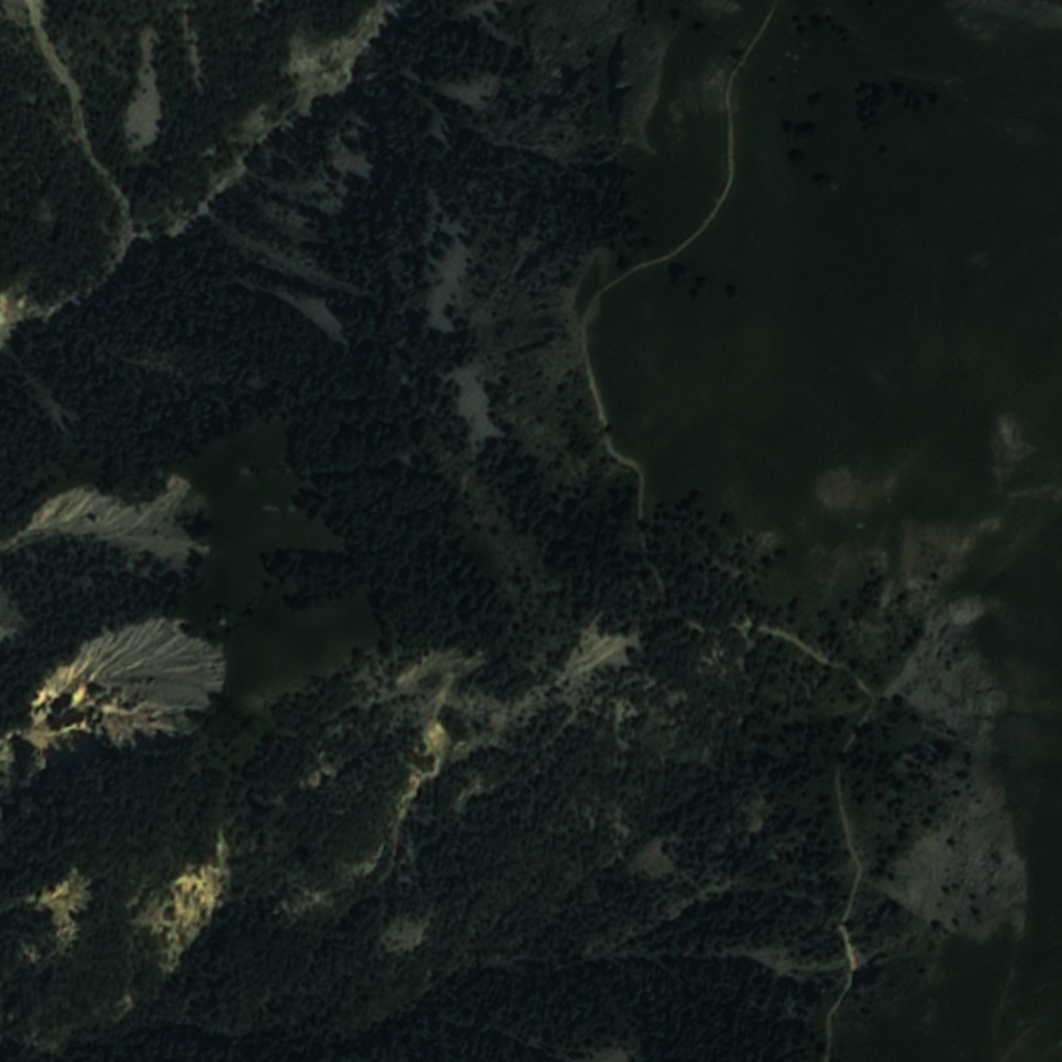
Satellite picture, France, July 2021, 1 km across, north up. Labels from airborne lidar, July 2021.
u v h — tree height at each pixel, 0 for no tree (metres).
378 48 17
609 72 0
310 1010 6
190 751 13
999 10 0
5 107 10
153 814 14
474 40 22
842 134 0
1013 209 0
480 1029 12
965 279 0
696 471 0
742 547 11
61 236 21
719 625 12
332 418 27
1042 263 0
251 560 0
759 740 13
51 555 12
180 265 22
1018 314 0
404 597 29
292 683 0
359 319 21
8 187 10
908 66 0
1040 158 0
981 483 0
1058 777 0
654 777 11
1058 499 0
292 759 20
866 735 14
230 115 10
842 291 0
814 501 0
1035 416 0
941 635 0
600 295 0
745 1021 22
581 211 12
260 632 0
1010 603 0
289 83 9
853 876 0
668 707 7
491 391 11
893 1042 0
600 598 6
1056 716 0
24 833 18
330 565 25
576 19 0
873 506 0
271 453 0
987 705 0
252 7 6
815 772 9
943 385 0
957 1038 0
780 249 0
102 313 27
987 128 0
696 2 0
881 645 0
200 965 16
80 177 11
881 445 0
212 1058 20
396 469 26
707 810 13
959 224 0
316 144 14
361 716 9
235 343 30
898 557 0
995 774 0
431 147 20
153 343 20
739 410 0
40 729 0
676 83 0
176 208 13
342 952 14
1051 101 0
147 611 12
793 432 0
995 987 0
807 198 0
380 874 7
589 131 6
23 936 7
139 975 7
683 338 0
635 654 12
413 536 30
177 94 15
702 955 12
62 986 9
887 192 0
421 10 11
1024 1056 0
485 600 25
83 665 0
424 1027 18
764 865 11
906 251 0
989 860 0
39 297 10
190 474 0
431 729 0
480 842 10
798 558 0
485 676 7
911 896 0
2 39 8
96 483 0
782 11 0
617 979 19
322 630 0
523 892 10
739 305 0
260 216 8
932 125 0
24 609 7
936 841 0
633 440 0
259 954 11
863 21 0
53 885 13
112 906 11
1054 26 0
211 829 7
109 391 24
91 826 11
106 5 9
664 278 0
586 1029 12
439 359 19
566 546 18
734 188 0
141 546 0
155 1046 19
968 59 0
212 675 0
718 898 11
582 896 17
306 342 23
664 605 9
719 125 0
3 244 13
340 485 20
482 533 9
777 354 0
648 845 6
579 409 7
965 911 0
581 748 15
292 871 6
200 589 7
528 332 0
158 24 9
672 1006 19
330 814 7
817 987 10
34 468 15
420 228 15
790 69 0
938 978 0
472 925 9
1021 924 0
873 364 0
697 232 0
